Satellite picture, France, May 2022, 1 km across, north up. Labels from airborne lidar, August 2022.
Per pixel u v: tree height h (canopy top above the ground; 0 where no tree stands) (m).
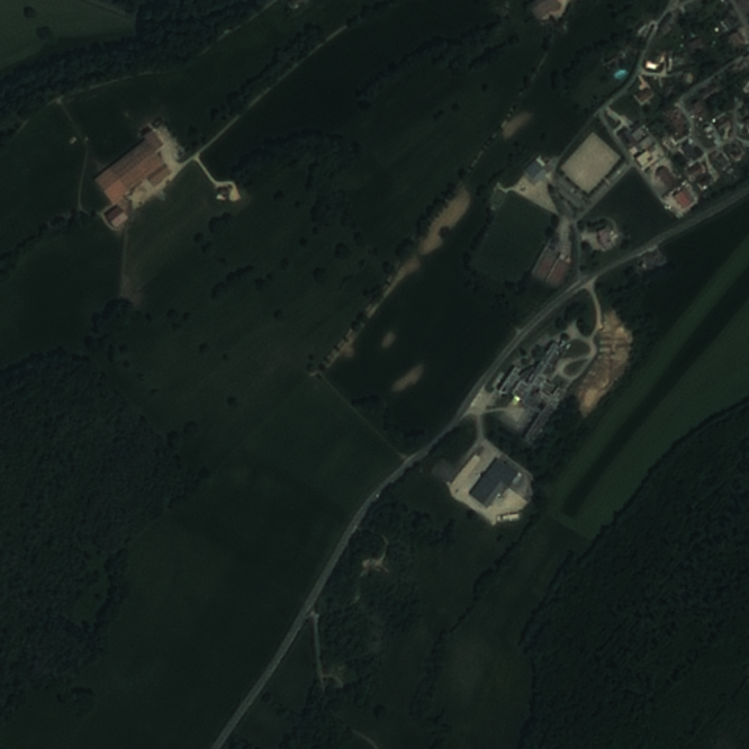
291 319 0
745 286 0
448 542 17
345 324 0
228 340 0
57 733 0
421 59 14
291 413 0
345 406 0
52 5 0
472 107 0
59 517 7
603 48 18
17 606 8
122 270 0
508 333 0
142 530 9
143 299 0
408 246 18
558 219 13
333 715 12
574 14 0
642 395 0
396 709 0
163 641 0
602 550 8
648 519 13
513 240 0
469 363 0
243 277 18
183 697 0
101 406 11
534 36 0
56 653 12
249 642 0
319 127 0
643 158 0
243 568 0
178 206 0
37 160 0
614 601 12
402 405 0
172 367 0
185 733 0
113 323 16
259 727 0
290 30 0
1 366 0
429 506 0
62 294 0
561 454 14
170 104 0
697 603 18
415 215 0
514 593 0
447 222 0
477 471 0
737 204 0
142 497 7
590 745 14
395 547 7
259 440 0
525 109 0
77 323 0
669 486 10
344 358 0
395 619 13
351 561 9
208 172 0
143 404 0
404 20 0
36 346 0
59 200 0
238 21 11
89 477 9
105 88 0
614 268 0
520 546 11
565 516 0
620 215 0
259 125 0
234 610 0
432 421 0
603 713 17
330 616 6
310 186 15
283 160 16
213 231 14
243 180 15
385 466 0
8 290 0
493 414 0
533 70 8
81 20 0
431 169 0
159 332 0
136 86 0
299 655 0
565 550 0
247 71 0
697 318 0
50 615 19
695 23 10
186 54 15
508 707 0
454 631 7
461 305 0
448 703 0
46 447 8
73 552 13
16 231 0
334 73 0
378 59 0
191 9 10
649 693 22
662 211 0
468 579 0
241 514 0
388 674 0
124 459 18
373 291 10
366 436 0
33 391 20
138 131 0
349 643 6
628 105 0
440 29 0
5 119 12
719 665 9
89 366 20
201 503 0
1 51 0
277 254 0
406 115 0
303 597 0
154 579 0
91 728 0
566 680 20
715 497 6
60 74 20
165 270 0
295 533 0
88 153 0
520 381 0
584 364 0
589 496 0
